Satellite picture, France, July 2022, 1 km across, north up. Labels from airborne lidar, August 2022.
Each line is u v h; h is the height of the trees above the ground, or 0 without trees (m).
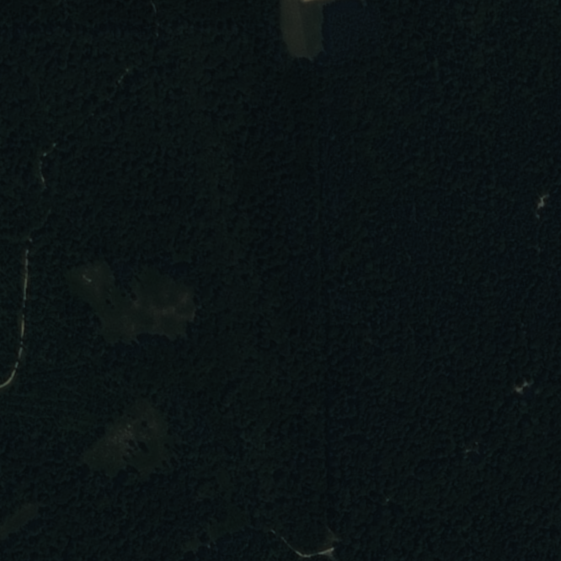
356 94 18
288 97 8
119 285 21
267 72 17
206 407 16
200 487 14
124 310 0
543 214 20
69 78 21
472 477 29
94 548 26
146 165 18
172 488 20
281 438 29
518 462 29
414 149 25
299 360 36
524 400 27
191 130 19
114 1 16
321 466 23
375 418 28
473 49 28
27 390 21
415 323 22
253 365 19
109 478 25
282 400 25
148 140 24
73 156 18
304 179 9
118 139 28
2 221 18
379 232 18
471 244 15
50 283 16
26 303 15
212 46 24
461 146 20
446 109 26
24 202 19
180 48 18
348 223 23
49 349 7
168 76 26
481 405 19
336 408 29
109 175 19
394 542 25
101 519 24
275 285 28
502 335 25
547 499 24
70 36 24
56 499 19
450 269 18
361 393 34
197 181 19
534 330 22
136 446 23
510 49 10
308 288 21
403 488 25
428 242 18
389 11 19
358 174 22
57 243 6
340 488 27
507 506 27
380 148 21
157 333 0
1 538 0
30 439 22
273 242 28
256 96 18
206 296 19
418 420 27
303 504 29
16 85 24
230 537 17
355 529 22
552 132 22
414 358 29
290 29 0
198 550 0
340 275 8
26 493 16
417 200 21
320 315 7
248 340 27
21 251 6
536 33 16
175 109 19
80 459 23
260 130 14
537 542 31
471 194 11
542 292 18
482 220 21
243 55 32
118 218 22
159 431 0
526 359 27
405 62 18
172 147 20
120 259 26
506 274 21
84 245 9
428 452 22
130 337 0
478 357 24
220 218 19
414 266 21
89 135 24
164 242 20
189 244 15
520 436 24
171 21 7
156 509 22
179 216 21
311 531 26
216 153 27
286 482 26
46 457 21
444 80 25
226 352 21
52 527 25
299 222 25
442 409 28
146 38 31
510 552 26
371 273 18
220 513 18
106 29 29
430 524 24
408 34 19
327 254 31
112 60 25
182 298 0
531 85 22
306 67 13
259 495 19
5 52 25
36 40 18
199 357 21
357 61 25
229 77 35
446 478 18
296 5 0
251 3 19
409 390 26
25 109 23
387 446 24
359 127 20
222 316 24
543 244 16
